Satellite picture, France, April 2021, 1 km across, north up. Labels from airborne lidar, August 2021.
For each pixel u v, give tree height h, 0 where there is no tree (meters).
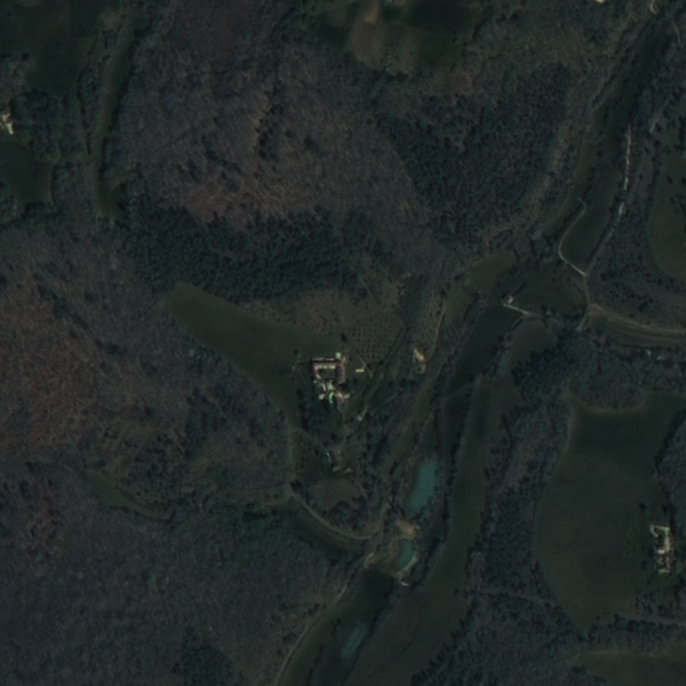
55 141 23
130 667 20
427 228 13
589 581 0
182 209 9
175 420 16
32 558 14
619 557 0
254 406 24
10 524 11
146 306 20
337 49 0
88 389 6
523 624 15
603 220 0
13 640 17
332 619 0
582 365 22
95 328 18
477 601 15
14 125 15
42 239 25
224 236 22
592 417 0
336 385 10
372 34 0
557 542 0
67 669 19
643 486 0
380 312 0
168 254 22
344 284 10
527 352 0
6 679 19
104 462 8
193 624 17
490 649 19
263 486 17
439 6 0
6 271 15
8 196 7
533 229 11
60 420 7
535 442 19
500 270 0
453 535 0
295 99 13
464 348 8
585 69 21
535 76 14
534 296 0
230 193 13
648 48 0
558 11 21
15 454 17
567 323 12
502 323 0
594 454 0
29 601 16
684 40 7
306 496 10
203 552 18
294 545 23
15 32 0
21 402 13
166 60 12
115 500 0
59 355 9
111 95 0
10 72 16
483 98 16
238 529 24
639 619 0
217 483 14
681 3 9
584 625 0
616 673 0
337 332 0
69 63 0
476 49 13
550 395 22
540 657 19
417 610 0
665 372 23
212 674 20
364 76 23
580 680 18
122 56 0
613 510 0
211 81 7
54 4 0
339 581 15
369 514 23
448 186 16
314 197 12
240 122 20
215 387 18
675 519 20
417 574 11
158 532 17
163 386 17
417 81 24
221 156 12
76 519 16
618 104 10
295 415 0
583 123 18
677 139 0
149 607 17
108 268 16
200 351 16
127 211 23
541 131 14
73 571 17
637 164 8
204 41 0
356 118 27
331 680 0
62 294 17
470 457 0
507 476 15
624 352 0
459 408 0
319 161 13
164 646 14
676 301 0
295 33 12
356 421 6
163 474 10
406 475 9
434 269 21
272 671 18
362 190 18
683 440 19
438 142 18
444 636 0
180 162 15
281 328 0
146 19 0
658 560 15
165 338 17
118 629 20
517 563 8
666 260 0
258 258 7
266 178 15
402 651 0
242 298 12
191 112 19
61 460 11
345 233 17
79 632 19
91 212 26
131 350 16
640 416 0
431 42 0
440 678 15
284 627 14
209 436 22
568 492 0
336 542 0
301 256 22
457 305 0
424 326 0
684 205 14
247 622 15
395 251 17
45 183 0
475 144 9
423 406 0
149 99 25
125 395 15
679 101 16
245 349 0
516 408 0
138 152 20
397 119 18
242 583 20
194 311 0
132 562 17
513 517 19
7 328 8
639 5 11
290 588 15
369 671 0
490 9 7
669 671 0
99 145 0
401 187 20
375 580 0
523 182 11
